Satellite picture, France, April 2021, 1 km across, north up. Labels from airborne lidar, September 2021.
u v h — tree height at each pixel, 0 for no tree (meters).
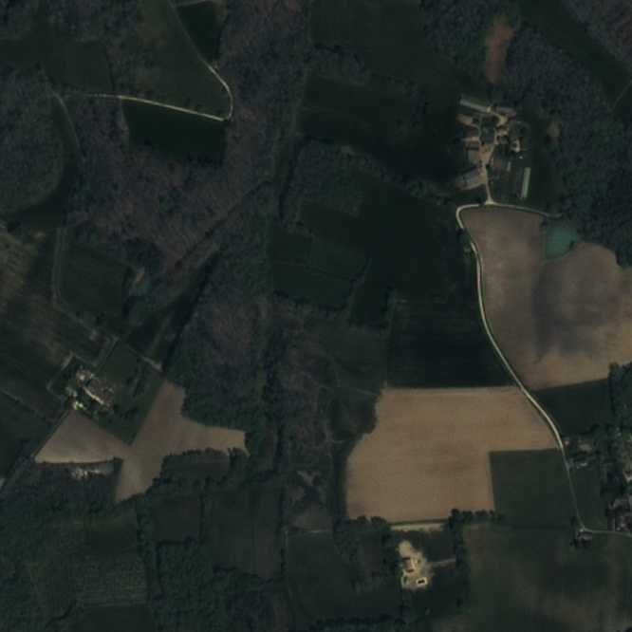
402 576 11
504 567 0
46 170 24
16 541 21
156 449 0
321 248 0
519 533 0
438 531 0
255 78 20
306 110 0
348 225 0
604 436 15
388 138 0
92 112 7
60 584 0
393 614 0
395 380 0
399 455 0
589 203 20
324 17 0
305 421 18
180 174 10
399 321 0
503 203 0
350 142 0
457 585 0
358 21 0
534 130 0
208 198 18
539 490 0
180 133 0
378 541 0
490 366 0
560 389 0
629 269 18
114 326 0
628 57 15
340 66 22
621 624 0
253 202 21
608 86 0
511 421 0
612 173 18
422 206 0
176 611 13
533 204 0
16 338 0
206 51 0
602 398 0
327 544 0
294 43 20
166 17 0
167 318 0
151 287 6
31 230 0
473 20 21
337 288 0
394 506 0
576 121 26
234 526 0
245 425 21
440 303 7
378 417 0
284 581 7
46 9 7
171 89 0
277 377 20
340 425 0
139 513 13
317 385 0
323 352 0
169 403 0
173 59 0
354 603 0
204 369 22
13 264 0
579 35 0
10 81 19
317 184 14
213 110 0
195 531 0
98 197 10
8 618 15
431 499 0
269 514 0
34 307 0
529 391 10
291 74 22
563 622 0
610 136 25
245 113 16
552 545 0
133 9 20
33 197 19
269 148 19
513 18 18
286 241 0
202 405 24
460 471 0
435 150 0
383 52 0
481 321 0
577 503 0
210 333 18
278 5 11
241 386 23
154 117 0
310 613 0
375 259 0
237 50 19
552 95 23
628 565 0
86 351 0
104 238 19
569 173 30
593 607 0
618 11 7
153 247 19
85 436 0
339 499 0
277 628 0
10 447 0
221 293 17
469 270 0
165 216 10
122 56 15
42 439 0
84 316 12
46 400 0
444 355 0
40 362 0
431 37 17
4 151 17
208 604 23
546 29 0
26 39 0
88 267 0
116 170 10
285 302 18
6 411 0
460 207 0
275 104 19
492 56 0
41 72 18
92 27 20
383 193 0
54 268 0
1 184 25
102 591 0
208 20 0
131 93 14
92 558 0
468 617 0
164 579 17
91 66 0
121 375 0
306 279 0
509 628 0
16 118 21
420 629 12
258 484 7
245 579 9
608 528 0
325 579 0
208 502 15
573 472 8
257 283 21
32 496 17
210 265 0
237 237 19
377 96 0
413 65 0
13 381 0
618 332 0
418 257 0
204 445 0
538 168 0
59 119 0
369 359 0
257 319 20
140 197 11
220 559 0
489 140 0
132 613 0
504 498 0
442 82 0
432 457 0
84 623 0
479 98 0
